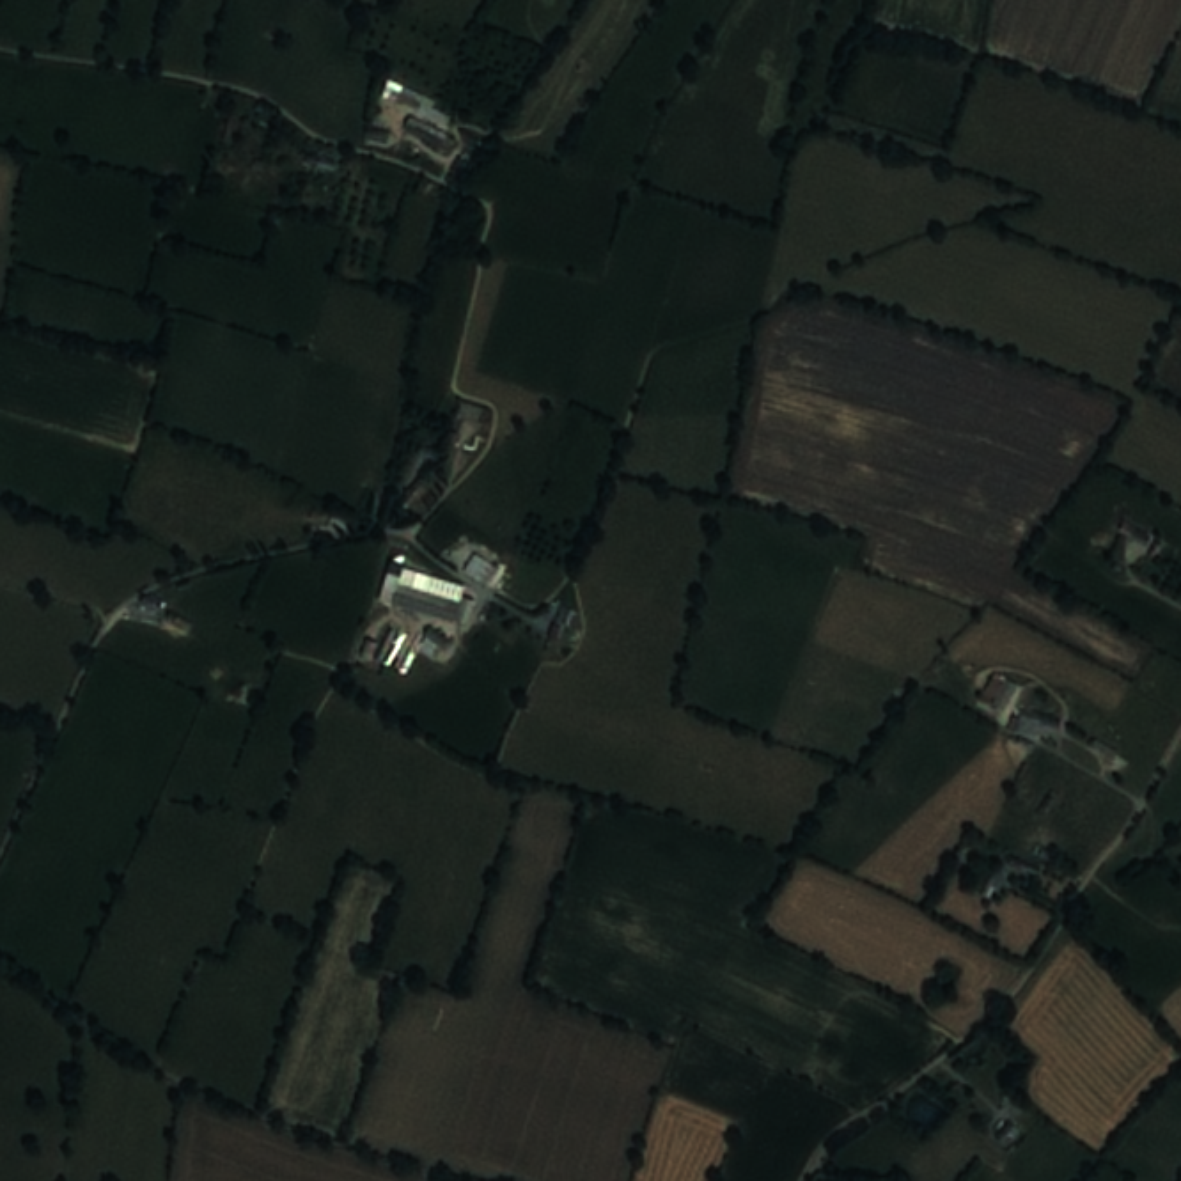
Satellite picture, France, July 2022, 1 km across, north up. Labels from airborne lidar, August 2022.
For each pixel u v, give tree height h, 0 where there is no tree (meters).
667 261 0
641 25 12
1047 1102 0
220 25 13
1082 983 0
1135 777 0
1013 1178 0
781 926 0
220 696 0
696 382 0
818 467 0
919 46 20
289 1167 0
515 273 0
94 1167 0
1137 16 0
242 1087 0
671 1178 0
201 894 0
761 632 0
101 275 0
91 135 0
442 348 0
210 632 0
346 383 0
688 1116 0
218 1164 0
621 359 0
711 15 0
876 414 0
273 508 0
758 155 0
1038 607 0
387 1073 0
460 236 11
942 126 0
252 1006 0
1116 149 0
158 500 0
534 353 0
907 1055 0
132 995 0
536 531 7
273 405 0
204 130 0
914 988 0
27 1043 0
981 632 0
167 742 0
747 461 0
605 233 0
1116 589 0
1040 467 0
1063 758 0
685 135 0
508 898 0
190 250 11
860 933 0
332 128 0
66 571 0
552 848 0
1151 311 0
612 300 0
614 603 0
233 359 0
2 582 0
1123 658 0
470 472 0
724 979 0
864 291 0
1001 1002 23
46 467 0
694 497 10
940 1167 0
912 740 0
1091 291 0
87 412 0
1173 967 0
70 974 0
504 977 0
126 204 0
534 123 0
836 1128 0
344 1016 0
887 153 18
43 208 0
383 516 13
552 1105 0
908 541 0
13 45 0
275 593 0
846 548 0
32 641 0
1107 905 0
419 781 0
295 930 17
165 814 0
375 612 0
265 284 0
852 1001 0
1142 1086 0
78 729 0
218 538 0
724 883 0
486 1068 0
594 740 0
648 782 0
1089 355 0
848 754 0
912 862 0
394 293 14
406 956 0
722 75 0
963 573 0
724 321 0
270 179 0
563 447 0
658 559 0
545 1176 0
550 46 11
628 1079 0
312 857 0
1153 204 0
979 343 14
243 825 0
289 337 10
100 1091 0
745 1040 0
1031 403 0
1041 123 0
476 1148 0
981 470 0
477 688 0
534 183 0
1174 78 0
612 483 18
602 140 0
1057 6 0
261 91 0
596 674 0
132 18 0
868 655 0
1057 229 0
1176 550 0
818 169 0
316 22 0
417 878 0
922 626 0
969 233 0
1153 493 10
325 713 0
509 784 13
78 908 0
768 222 11
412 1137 0
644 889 0
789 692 0
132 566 0
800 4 0
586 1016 10
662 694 0
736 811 0
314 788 0
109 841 0
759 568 0
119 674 0
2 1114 0
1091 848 0
